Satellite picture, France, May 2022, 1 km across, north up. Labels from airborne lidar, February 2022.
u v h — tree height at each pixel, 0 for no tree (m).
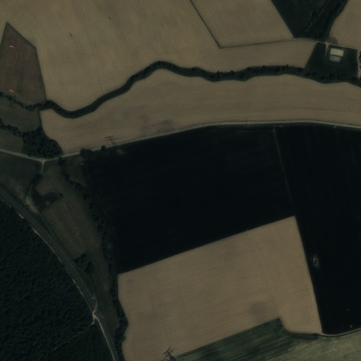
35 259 22
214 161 0
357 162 0
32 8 0
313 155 0
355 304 0
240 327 0
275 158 0
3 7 0
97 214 0
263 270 0
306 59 0
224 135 0
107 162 0
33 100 0
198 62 0
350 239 0
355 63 0
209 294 0
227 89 0
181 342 0
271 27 0
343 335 0
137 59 0
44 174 0
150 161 0
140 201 0
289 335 0
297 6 0
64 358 12
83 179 0
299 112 0
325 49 0
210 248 0
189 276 0
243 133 0
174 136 0
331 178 0
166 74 0
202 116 0
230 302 0
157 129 0
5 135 0
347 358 0
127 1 0
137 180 0
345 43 0
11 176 0
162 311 0
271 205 0
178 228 0
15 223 13
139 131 0
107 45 0
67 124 0
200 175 0
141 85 0
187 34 0
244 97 0
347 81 0
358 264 0
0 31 0
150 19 0
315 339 0
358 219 0
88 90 0
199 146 0
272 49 0
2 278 23
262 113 0
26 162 0
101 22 0
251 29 0
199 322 0
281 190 0
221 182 0
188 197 0
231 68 0
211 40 0
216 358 0
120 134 0
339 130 0
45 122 0
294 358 0
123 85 0
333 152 0
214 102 0
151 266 0
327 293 0
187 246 0
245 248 0
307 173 0
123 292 0
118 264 0
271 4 0
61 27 0
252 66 0
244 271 0
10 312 21
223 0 0
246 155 0
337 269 0
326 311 0
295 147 0
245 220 0
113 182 0
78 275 0
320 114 0
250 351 0
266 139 0
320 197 0
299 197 0
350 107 0
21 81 0
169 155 0
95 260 0
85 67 0
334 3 0
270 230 0
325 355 0
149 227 0
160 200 0
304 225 0
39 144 0
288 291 0
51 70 0
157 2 0
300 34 0
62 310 13
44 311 23
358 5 0
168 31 0
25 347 10
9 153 0
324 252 0
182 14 0
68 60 0
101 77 0
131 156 0
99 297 0
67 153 0
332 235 0
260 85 0
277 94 0
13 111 0
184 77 0
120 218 0
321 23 0
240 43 0
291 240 0
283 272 0
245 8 0
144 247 0
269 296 0
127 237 0
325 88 0
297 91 0
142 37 0
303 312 0
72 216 0
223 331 0
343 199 0
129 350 0
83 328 24
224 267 0
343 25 0
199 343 0
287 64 0
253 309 0
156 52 0
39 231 0
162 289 0
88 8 0
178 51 0
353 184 0
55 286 27
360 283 0
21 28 0
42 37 0
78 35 0
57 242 0
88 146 0
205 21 0
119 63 0
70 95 0
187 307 0
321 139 0
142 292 0
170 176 0
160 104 0
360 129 0
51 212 0
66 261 0
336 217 0
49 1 0
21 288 24
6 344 23
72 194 0
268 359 0
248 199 0
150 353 0
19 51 0
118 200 0
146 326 0
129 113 0
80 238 0
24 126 0
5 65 0
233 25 0
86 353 7
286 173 0
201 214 0
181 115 0
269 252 0
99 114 0
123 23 0
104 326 0
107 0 0
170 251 0
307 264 0
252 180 0
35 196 0
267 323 0
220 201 0
